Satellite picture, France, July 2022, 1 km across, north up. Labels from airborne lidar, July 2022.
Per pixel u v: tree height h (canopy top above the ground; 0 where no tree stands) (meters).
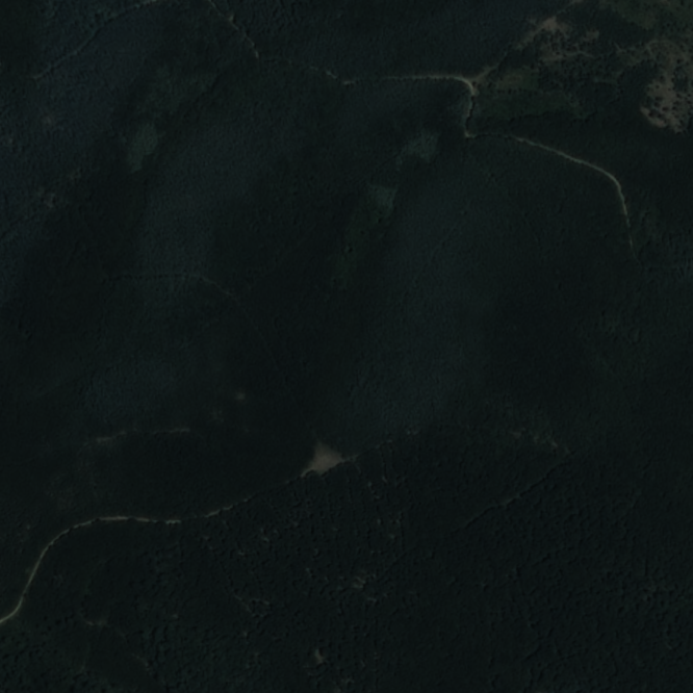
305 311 22
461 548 26
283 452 14
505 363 8
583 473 20
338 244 21
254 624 18
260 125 14
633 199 13
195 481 15
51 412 10
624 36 12
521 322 18
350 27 18
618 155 12
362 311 20
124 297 16
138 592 11
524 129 10
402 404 14
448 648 23
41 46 10
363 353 14
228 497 15
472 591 28
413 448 13
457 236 11
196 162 14
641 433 13
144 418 13
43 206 7
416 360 12
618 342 14
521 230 11
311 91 12
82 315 16
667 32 7
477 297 10
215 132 13
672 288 14
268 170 13
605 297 17
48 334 19
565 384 15
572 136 9
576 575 26
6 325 9
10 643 25
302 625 24
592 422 10
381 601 23
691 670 18
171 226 10
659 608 24
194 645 24
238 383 7
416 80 6
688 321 11
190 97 15
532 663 31
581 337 14
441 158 19
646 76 15
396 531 18
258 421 8
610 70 16
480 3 11
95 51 7
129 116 17
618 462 18
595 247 21
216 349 7
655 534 18
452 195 13
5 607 9
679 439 15
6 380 11
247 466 17
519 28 10
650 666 25
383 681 16
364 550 17
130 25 14
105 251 23
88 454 8
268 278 11
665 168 11
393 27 22
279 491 18
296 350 19
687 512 20
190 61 13
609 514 25
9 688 12
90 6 12
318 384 13
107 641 11
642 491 15
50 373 8
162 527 18
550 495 25
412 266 13
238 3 15
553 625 24
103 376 13
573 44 10
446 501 22
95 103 10
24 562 16
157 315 12
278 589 25
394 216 17
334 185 8
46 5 13
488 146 13
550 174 15
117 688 32
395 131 16
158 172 17
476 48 12
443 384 13
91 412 15
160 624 10
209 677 14
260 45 13
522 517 24
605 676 23
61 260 17
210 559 20
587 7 9
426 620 16
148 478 9
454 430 12
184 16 13
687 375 19
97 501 7
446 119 19
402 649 18
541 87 9
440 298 12
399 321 13
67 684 8
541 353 20
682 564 15
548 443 9
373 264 27
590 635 27
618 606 27
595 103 16
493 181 12
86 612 19
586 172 11
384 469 12
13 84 11
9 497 11
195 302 10
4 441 11
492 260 14
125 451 9
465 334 13
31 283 17
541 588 22
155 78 14
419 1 18
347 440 7
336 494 16
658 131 14
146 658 5
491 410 12
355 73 16
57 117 7
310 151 15
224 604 16
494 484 23
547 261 15
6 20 6
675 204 31
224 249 12
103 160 17
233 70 18
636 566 21
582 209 16
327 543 16
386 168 19
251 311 9
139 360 13
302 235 19
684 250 11
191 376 8
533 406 11
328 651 28
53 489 9
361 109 14
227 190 13
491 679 24
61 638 11
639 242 12
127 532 9
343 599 20
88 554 7
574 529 25
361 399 14
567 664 28
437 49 15
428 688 18
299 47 14
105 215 18
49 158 16
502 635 29
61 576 12
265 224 16
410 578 23
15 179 14
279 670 20
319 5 15
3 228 13
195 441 12
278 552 22
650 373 14
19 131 14
